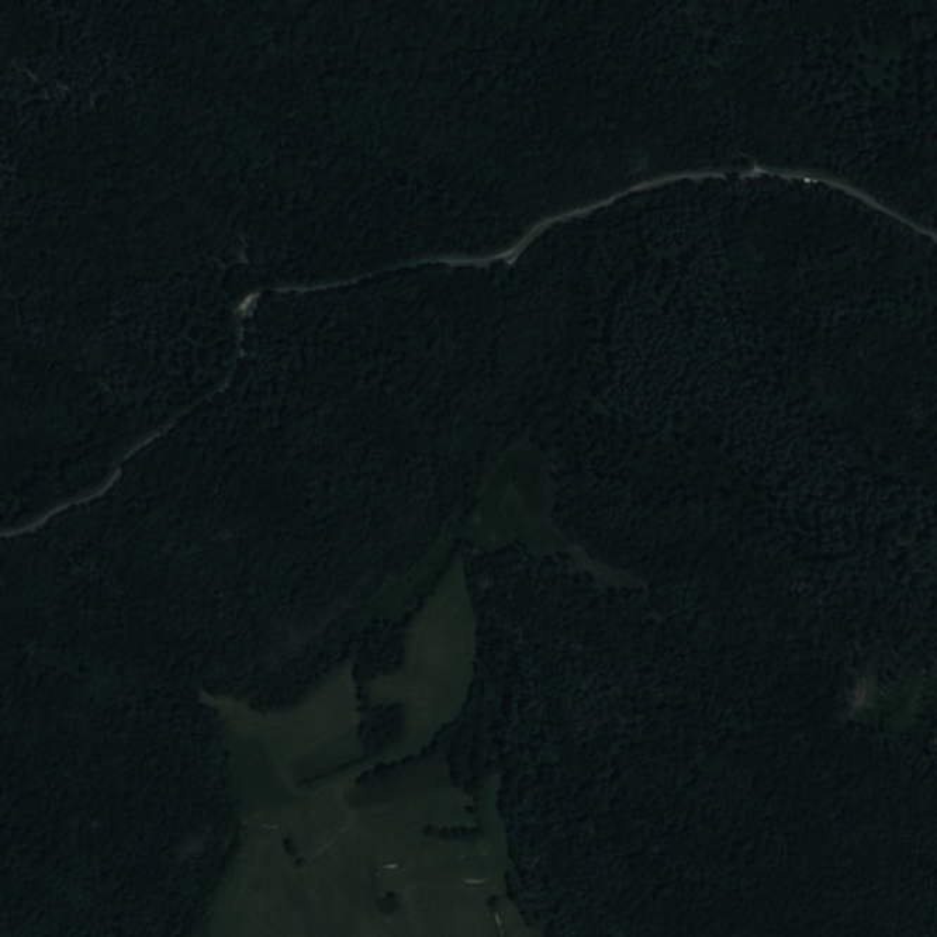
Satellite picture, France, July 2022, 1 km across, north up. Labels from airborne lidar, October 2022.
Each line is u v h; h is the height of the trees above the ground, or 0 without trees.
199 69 13
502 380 14
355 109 7
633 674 19
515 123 17
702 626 24
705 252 28
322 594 8
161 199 16
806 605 26
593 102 13
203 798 15
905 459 15
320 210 22
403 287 21
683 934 15
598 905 13
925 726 9
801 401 13
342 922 0
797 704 14
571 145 13
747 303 13
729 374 27
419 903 0
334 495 11
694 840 28
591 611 14
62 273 14
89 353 8
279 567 10
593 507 12
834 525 35
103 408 23
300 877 0
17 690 16
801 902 11
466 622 0
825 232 20
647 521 12
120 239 11
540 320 10
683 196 18
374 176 20
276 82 13
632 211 24
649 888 15
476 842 12
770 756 17
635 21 22
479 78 27
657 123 17
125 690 8
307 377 14
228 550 10
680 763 25
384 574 14
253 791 0
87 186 13
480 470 11
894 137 20
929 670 17
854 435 10
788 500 9
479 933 0
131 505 15
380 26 11
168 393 27
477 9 11
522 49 21
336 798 0
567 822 14
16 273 11
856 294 20
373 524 11
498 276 19
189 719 17
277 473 9
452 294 12
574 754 16
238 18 21
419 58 17
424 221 17
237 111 16
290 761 0
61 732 8
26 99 30
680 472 13
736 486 13
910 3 22
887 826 14
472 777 8
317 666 17
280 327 20
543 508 0
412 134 10
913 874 17
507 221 8
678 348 32
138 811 12
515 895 18
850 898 10
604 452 10
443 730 7
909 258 23
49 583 12
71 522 10
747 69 15
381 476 9
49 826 15
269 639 6
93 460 19
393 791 0
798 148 12
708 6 18
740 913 13
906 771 16
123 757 15
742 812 16
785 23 26
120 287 14
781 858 15
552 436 11
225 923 0
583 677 9
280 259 21
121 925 21
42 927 11
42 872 17
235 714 0
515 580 14
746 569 27
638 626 18
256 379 28
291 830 0
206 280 18
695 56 27
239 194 15
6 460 7
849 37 12
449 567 7
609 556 13
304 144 21
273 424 19
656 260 17
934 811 13
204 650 15
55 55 20
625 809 31
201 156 16
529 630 14
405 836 0
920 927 15
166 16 13
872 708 0
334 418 13
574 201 9
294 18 13
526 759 24
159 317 26
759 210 21
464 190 14
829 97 39
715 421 26
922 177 11
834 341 15
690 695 24
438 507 10
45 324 19
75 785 18
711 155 17
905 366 12
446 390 9
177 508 12
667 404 29
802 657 16
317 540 8
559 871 10
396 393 17
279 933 0
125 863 10
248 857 0
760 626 21
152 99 17
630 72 25
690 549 11
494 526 0
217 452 25
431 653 0
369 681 16
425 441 9
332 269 13
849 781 20
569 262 24
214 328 16
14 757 15
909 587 21
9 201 16
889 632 14
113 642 8
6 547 12
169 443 13
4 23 11
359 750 0
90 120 15
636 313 36
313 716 0
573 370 10
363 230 20
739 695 15
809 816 20
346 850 0
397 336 18
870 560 24
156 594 9
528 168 14
